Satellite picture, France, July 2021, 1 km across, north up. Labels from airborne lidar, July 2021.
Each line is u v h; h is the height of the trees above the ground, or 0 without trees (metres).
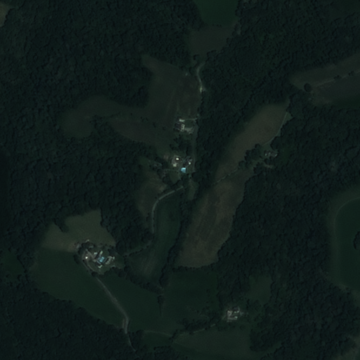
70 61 21
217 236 0
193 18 12
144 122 8
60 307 28
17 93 16
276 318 17
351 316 31
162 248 0
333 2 7
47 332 33
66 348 27
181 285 0
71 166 31
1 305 16
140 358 15
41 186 23
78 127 0
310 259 26
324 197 30
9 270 0
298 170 32
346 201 0
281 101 14
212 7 0
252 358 0
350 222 0
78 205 26
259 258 21
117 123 0
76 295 0
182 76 0
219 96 14
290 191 22
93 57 27
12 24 24
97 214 0
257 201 27
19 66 23
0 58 28
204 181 21
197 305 0
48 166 29
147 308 0
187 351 0
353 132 27
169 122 0
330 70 0
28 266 26
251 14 26
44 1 22
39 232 25
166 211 0
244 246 34
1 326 31
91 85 13
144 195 0
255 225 30
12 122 22
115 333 24
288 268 17
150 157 20
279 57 32
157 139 0
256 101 29
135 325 0
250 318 8
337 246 0
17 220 32
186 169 5
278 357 23
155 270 0
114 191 20
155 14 19
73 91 22
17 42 22
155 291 21
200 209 0
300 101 28
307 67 15
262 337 10
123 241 15
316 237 31
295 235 29
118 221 22
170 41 23
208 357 0
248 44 24
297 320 11
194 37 0
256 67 28
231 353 0
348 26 26
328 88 0
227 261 34
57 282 0
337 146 13
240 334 0
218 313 8
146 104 12
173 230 0
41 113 23
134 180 9
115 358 28
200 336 0
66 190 22
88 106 0
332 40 17
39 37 32
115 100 9
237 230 13
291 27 24
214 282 0
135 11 21
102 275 7
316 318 22
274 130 0
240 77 9
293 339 19
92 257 0
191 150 18
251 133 0
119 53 13
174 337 14
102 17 26
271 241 34
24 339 32
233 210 0
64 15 29
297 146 10
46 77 10
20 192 22
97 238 0
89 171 24
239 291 21
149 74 11
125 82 22
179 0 20
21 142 26
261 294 0
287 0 12
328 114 26
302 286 30
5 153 26
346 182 30
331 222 0
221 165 0
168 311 0
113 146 12
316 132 26
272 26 28
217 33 0
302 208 33
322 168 29
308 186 28
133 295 0
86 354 29
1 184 25
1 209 24
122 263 0
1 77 24
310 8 22
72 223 0
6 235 27
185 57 17
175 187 17
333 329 25
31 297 31
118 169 30
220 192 0
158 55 17
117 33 17
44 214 24
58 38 12
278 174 27
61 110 12
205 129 25
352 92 0
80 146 21
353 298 30
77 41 10
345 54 14
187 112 0
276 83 24
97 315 0
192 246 0
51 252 0
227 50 24
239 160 0
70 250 0
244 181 0
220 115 32
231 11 0
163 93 0
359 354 0
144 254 0
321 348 12
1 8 0
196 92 0
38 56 28
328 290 35
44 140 17
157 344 0
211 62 22
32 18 21
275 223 25
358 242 24
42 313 35
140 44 24
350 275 0
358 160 19
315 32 27
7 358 30
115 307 0
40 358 24
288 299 16
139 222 24
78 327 24
